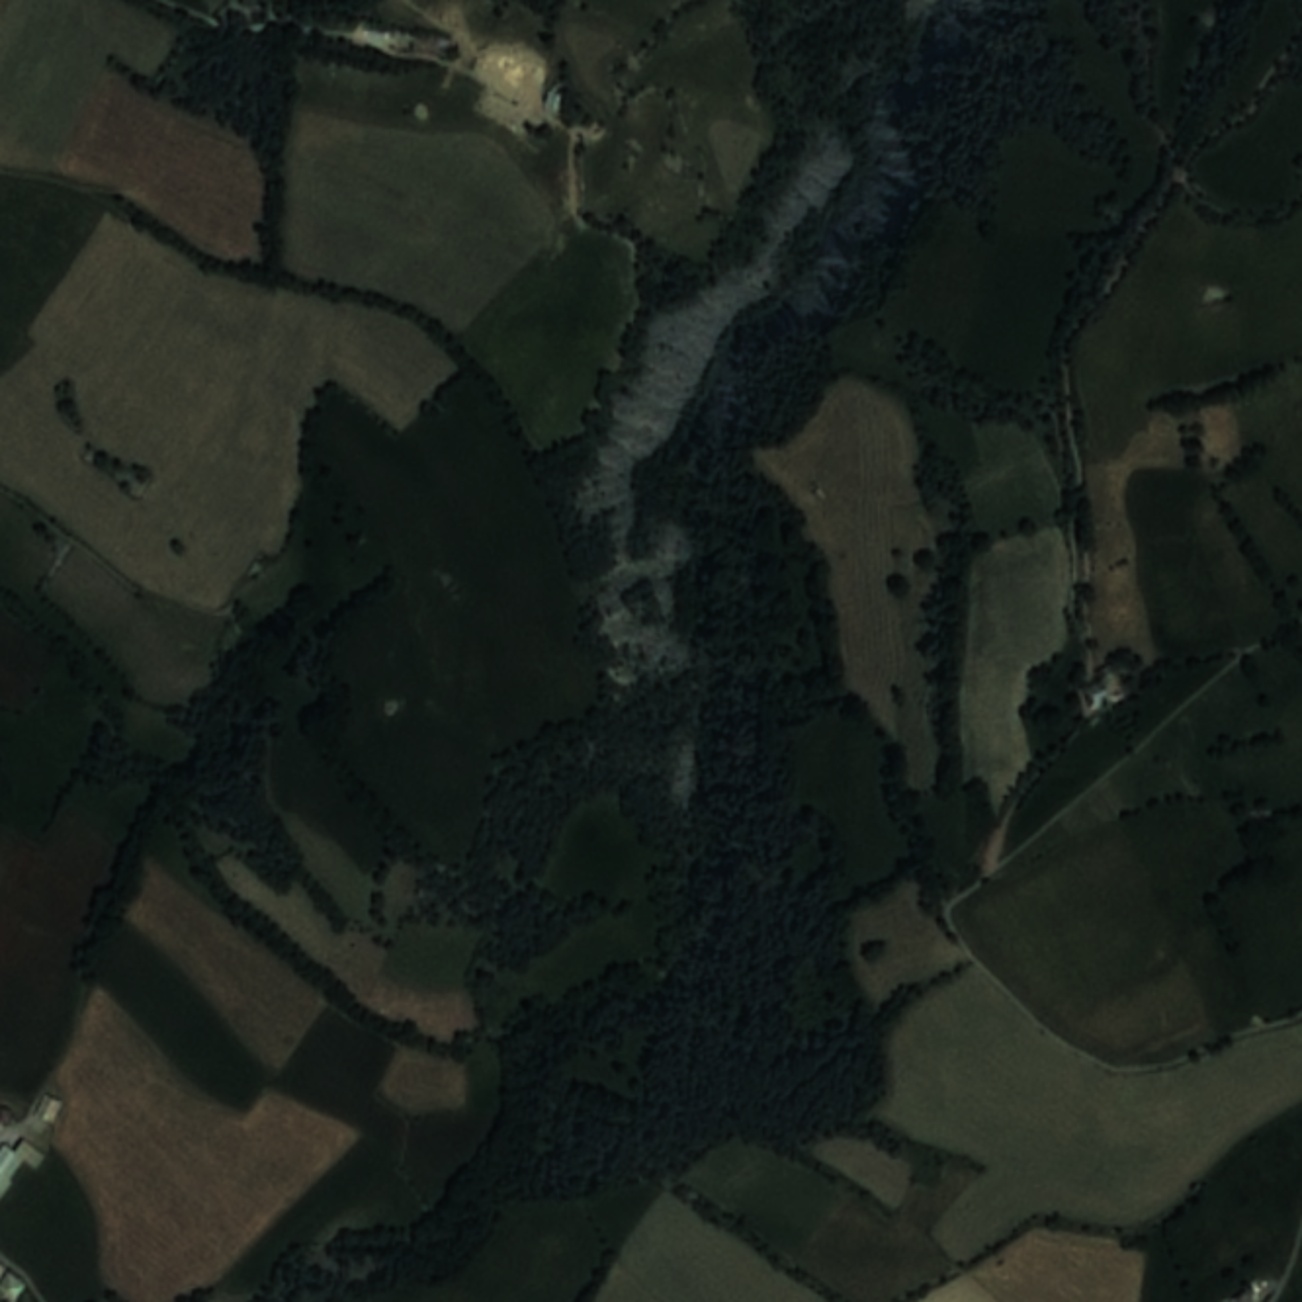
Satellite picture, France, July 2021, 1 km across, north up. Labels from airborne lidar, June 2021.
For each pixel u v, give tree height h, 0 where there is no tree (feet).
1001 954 0
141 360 0
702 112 0
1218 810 0
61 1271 0
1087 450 0
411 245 0
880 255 32
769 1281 0
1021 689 0
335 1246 22
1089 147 31
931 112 58
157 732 0
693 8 20
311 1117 0
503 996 0
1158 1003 0
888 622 0
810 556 43
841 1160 0
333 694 60
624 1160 50
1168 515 0
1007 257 0
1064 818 0
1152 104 19
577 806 27
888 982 0
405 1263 58
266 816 46
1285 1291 0
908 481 0
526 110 0
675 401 0
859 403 0
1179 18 0
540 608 0
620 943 0
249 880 0
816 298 0
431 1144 0
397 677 0
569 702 0
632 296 0
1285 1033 0
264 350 0
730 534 32
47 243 0
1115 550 0
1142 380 0
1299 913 0
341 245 0
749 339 25
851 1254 0
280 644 73
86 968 36
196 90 37
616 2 0
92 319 0
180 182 0
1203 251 0
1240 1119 0
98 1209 0
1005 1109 0
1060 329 31
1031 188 0
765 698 71
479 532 0
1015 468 0
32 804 0
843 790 0
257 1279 0
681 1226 0
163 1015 0
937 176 72
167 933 0
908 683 0
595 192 0
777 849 56
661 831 49
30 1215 0
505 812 31
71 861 0
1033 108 53
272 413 0
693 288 39
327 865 0
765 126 0
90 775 55
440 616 0
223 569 0
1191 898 0
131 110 0
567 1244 0
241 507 0
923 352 23
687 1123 54
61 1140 0
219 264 35
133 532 0
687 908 36
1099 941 0
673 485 46
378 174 0
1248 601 0
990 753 0
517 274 0
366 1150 0
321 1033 0
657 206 0
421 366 0
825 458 0
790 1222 0
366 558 0
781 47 41
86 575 0
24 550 0
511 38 0
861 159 31
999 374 0
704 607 35
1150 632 0
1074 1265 0
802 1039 64
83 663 36
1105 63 0
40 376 0
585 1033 46
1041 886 0
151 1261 0
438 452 0
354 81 0
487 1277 0
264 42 51
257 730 47
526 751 46
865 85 38
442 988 0
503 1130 61
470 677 0
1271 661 0
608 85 0
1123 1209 0
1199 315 0
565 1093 49
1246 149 0
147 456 0
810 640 42
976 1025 0
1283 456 0
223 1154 0
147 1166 0
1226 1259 0
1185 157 25
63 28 0
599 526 34
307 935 0
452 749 0
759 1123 62
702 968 35
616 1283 0
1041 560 0
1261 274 0
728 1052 51
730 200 0
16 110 0
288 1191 0
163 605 0
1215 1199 0
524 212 0
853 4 36
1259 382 50
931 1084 0
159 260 0
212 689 27
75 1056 0
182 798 56
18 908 0
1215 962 0
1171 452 0
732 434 29
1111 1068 0
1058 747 29
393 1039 30
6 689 0
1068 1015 0
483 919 43
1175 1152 0
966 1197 0
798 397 22
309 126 0
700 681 46
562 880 0
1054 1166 0
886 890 40
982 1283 0
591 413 32
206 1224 0
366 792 45
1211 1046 30
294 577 0
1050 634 0
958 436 0
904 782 47
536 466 36
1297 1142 0
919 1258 0
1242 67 34
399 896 0
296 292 32
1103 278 25
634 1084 38
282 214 37
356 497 0
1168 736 0
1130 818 31
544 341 0
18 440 0
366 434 0
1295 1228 0
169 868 0
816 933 53
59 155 0
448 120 0
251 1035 0
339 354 0
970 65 58
